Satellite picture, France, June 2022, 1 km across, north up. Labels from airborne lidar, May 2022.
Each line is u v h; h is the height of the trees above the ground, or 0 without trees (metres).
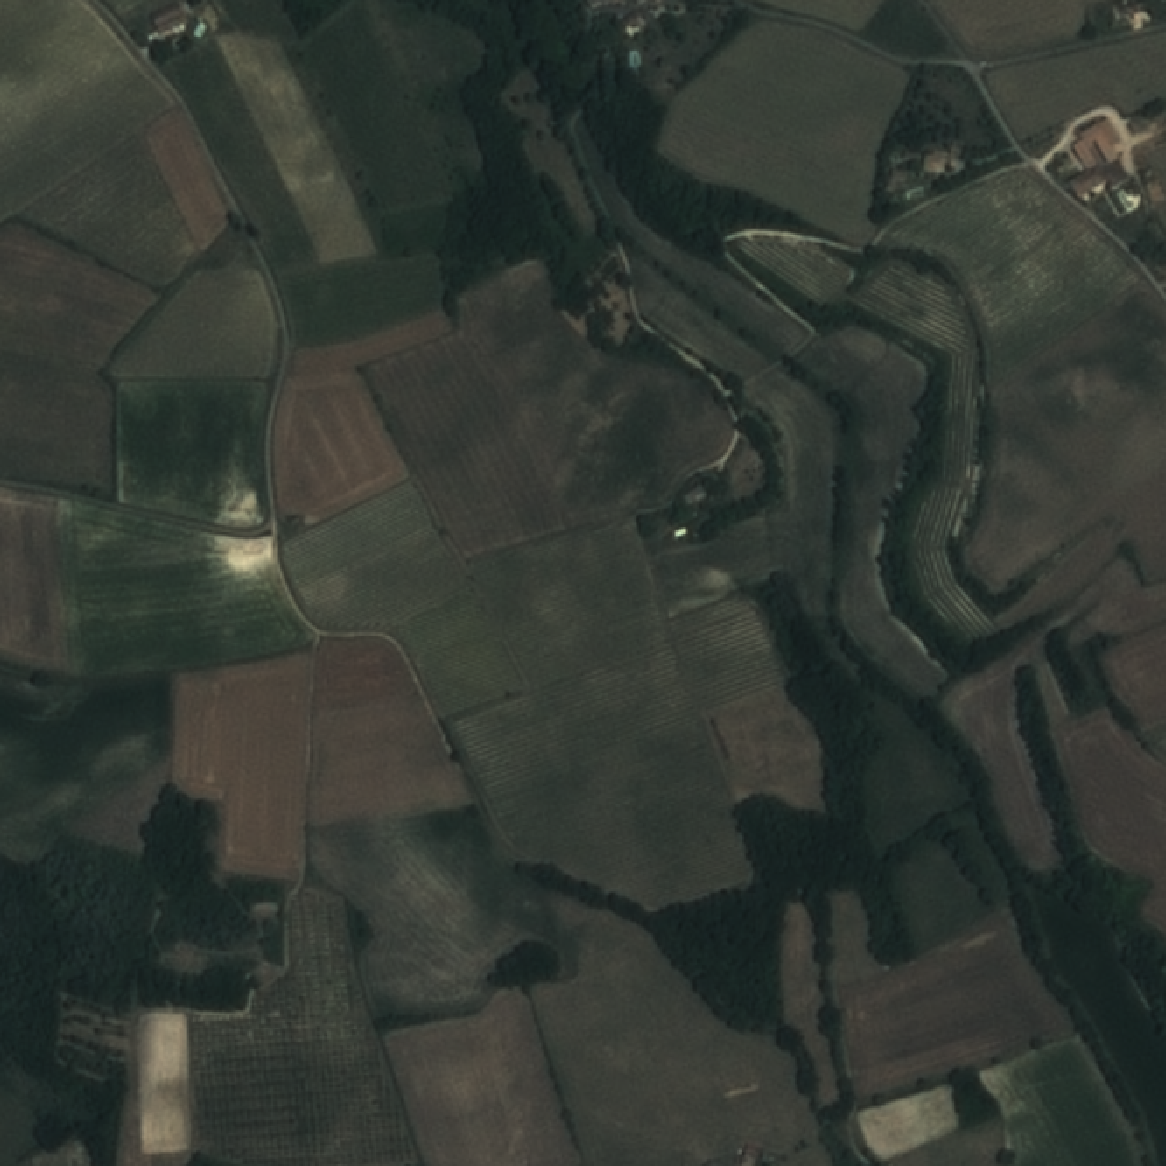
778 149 0
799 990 0
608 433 0
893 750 0
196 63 0
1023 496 0
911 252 11
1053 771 16
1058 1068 0
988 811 16
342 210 0
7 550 0
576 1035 0
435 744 0
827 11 0
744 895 18
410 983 0
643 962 0
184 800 13
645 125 18
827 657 11
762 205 10
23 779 0
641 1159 0
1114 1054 0
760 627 0
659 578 0
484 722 0
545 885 18
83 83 0
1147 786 0
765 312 0
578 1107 0
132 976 8
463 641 0
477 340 0
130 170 0
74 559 0
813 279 0
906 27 0
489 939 0
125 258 0
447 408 0
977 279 0
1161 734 0
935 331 0
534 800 0
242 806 0
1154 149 0
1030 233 0
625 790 0
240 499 0
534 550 0
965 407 0
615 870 0
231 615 0
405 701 0
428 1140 0
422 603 0
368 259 0
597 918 0
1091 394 0
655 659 0
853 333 0
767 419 10
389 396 0
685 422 0
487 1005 0
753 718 0
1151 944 14
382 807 0
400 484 0
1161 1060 0
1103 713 0
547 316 0
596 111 16
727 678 0
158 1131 0
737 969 8
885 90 0
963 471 0
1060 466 0
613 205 0
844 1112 12
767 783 0
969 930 0
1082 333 0
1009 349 0
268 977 0
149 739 0
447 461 0
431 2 8
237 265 0
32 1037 13
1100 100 0
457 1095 0
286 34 0
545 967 19
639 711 0
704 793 0
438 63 0
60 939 16
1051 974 10
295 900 0
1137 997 0
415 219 0
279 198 0
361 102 0
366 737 0
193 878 7
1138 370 0
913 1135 0
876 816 0
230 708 0
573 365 0
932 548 0
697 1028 0
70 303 0
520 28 16
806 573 0
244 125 0
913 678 0
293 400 0
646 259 0
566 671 0
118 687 0
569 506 0
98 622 0
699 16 6
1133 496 0
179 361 0
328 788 0
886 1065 0
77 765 0
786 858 15
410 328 0
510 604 0
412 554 0
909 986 0
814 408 0
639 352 6
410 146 0
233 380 0
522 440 0
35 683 16
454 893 0
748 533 0
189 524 0
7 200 0
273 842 0
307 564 0
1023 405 0
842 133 0
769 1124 0
